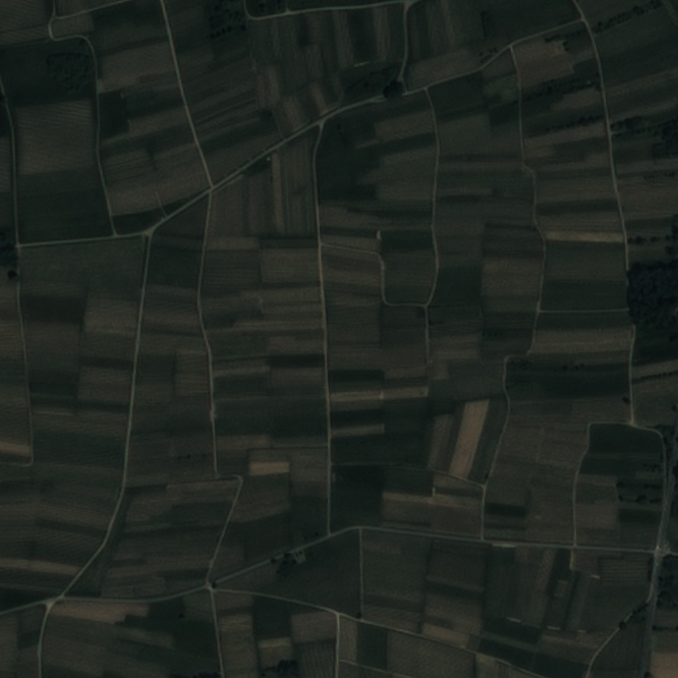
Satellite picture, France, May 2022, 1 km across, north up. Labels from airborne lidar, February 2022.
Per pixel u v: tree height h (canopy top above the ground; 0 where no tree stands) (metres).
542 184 0
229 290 0
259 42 0
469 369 0
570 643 0
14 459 0
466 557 0
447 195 0
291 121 0
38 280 0
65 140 0
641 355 0
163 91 0
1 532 0
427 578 0
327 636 0
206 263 0
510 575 0
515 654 0
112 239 0
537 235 0
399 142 0
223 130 0
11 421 0
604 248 0
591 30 0
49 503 0
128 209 0
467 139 0
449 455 0
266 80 0
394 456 0
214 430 0
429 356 0
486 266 0
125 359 0
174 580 0
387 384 0
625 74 0
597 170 0
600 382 0
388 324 0
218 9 8
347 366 0
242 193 0
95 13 0
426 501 0
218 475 0
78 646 0
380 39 0
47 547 0
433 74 0
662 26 0
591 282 0
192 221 0
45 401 0
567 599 0
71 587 0
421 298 0
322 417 0
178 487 0
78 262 0
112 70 0
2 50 0
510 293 0
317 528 0
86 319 0
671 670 0
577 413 0
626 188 0
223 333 0
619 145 0
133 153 0
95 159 0
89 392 0
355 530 0
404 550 0
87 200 0
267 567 0
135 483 0
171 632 0
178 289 0
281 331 0
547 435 0
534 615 0
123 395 0
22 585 0
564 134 0
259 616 0
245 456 0
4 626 0
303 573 0
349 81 0
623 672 0
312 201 0
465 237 0
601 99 0
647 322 15
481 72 0
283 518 0
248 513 0
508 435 0
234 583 0
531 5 0
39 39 0
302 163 0
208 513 0
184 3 0
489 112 0
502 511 0
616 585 0
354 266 0
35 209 0
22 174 0
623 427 0
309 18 0
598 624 0
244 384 0
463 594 0
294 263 0
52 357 0
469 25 0
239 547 0
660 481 0
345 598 0
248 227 0
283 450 0
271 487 0
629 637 0
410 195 0
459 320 0
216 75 0
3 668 0
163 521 0
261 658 0
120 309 0
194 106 0
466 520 0
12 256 10
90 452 0
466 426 0
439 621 0
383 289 0
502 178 0
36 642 0
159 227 0
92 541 0
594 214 0
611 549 0
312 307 0
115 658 0
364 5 0
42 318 0
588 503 0
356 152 0
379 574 0
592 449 0
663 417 0
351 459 0
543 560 0
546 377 0
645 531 0
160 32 0
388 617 0
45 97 0
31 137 0
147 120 0
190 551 0
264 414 0
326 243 0
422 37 0
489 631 0
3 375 0
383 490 0
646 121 0
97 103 0
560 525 0
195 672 0
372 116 0
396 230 0
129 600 0
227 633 0
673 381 0
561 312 0
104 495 0
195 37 0
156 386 0
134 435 0
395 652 0
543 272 0
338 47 0
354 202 0
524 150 0
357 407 0
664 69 0
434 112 0
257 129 0
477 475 0
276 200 0
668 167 0
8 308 0
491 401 0
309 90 0
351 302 0
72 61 7
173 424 0
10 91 0
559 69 0
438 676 0
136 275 0
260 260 0
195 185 0
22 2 0
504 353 0
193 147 0
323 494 0
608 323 0
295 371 0
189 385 0
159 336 0
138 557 0
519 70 0
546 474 0
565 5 0
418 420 0
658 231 0
